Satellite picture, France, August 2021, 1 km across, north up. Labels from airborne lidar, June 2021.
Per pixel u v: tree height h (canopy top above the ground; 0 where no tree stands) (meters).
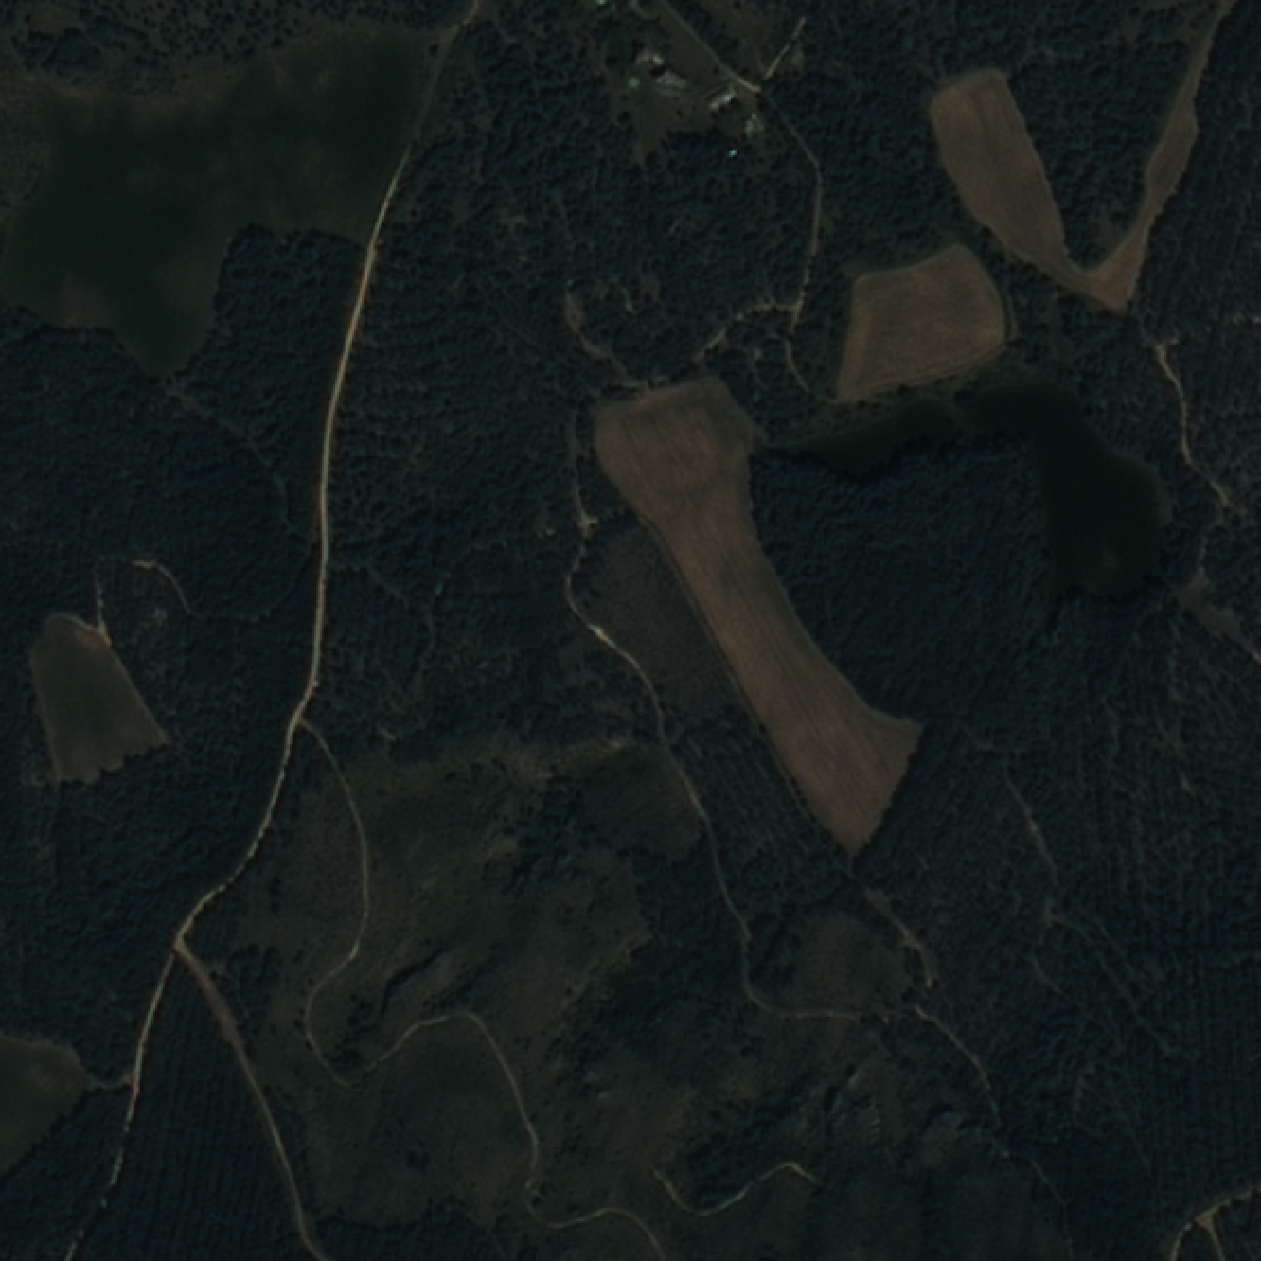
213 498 10
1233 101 9
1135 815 10
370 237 0
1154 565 0
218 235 0
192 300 0
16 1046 0
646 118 0
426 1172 7
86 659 0
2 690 8
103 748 0
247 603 9
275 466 11
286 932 0
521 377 8
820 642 10
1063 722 13
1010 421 0
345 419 12
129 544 9
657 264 11
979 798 12
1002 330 0
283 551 11
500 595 10
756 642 0
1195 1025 7
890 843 13
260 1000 6
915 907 12
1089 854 10
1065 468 0
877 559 11
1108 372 13
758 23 0
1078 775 12
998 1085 13
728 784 14
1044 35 11
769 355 10
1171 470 9
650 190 11
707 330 11
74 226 0
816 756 0
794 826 8
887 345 0
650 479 0
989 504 11
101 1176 10
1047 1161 14
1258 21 9
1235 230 9
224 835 9
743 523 0
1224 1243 11
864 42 15
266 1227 8
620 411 0
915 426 0
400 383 10
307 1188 7
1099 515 0
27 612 8
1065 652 11
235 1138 12
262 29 8
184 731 9
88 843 7
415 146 9
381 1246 9
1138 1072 10
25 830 6
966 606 12
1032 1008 9
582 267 8
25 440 7
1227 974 10
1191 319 10
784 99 10
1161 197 0
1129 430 8
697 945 12
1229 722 7
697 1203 6
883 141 7
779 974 13
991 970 10
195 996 10
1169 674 8
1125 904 11
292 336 9
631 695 8
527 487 10
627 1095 0
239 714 8
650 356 11
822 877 13
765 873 14
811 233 6
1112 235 0
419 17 8
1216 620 0
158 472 8
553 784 13
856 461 0
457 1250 8
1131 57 12
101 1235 13
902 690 11
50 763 7
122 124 0
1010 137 0
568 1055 6
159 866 6
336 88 0
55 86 0
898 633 11
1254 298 10
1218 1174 8
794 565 13
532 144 11
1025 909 8
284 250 8
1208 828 11
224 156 0
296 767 10
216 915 10
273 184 0
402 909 0
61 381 10
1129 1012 11
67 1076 0
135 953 9
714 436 0
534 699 10
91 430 8
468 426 8
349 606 10
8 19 11
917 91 13
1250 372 10
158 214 0
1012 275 9
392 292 8
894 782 0
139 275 0
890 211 8
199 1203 13
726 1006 9
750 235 8
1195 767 6
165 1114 11
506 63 11
